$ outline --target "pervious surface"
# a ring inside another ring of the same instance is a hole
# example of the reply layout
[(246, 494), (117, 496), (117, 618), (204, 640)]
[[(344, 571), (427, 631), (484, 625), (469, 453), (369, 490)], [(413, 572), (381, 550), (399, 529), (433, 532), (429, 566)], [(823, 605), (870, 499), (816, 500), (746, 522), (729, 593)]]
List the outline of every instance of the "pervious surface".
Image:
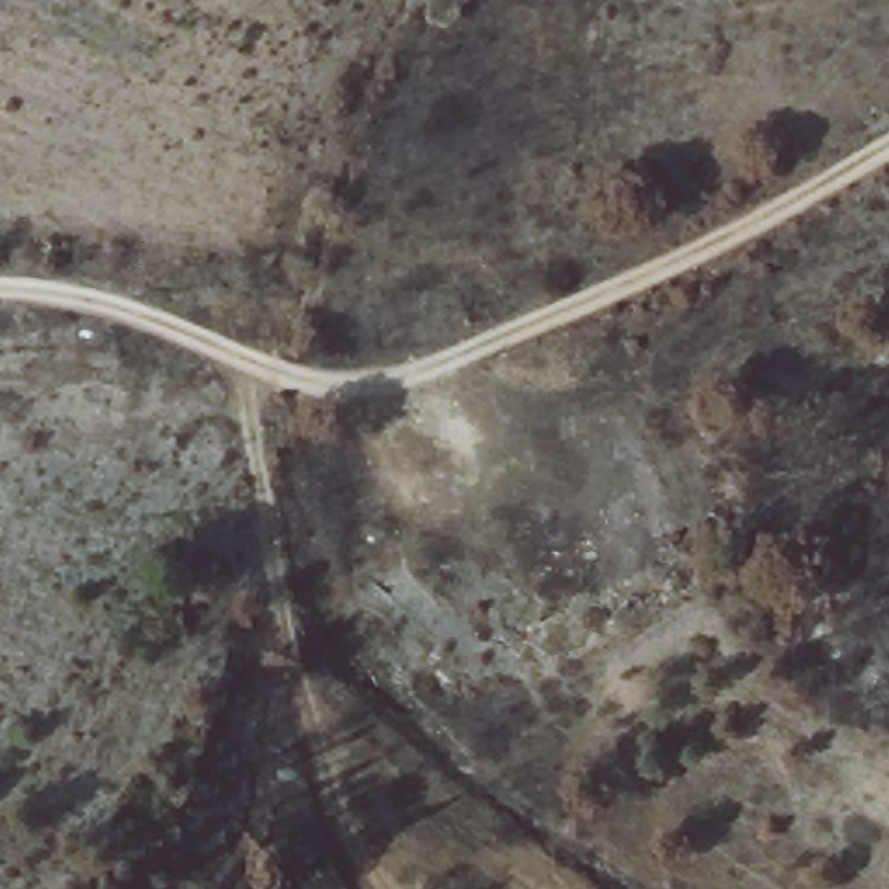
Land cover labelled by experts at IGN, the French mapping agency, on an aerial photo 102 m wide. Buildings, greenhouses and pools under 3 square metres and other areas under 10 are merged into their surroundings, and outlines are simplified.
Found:
[(0, 302), (17, 299), (76, 313), (97, 313), (135, 330), (156, 333), (163, 340), (174, 340), (188, 351), (198, 351), (233, 372), (257, 375), (274, 389), (295, 389), (306, 396), (326, 396), (330, 389), (372, 379), (392, 379), (403, 389), (410, 389), (420, 382), (455, 375), (458, 368), (493, 351), (514, 347), (552, 326), (590, 316), (618, 299), (639, 295), (649, 285), (660, 285), (674, 274), (684, 274), (740, 243), (764, 236), (785, 219), (813, 208), (816, 201), (847, 188), (851, 181), (868, 177), (889, 163), (889, 142), (872, 139), (851, 156), (799, 181), (785, 194), (754, 205), (733, 222), (715, 226), (670, 254), (660, 254), (608, 281), (587, 285), (573, 295), (563, 295), (549, 306), (486, 326), (469, 340), (458, 340), (424, 358), (410, 358), (403, 365), (361, 365), (333, 372), (292, 365), (278, 354), (264, 354), (257, 347), (247, 347), (240, 340), (229, 340), (215, 330), (205, 330), (191, 319), (181, 319), (167, 309), (135, 302), (118, 292), (87, 288), (59, 278), (0, 274)]

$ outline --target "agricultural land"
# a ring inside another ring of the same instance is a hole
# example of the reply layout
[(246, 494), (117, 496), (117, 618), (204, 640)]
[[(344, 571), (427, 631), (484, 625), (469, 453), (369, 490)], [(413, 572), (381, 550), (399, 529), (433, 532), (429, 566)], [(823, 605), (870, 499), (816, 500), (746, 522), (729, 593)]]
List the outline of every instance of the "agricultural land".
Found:
[(333, 42), (306, 38), (306, 28), (292, 14), (295, 7), (302, 7), (302, 0), (0, 0), (0, 233), (14, 219), (28, 219), (35, 229), (49, 233), (80, 233), (83, 226), (97, 226), (115, 229), (118, 236), (139, 236), (146, 243), (181, 243), (205, 250), (229, 250), (254, 240), (264, 222), (267, 188), (285, 181), (285, 163), (278, 160), (278, 149), (260, 149), (264, 128), (250, 125), (250, 118), (260, 111), (278, 111), (281, 104), (288, 104), (299, 115), (302, 104), (288, 94), (288, 83), (302, 83), (309, 94), (333, 90), (347, 63), (354, 63), (358, 56), (354, 35), (340, 35)]

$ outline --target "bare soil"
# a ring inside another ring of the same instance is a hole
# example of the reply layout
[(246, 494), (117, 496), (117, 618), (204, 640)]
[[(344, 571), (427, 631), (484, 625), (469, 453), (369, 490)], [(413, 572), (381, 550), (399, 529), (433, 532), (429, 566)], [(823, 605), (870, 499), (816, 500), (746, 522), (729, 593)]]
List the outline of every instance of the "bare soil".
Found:
[[(684, 413), (688, 385), (736, 385), (736, 413), (750, 413), (750, 406), (761, 399), (767, 406), (767, 441), (740, 441), (729, 431), (722, 434), (708, 427), (691, 431)], [(712, 594), (701, 587), (701, 573), (691, 573), (688, 587), (674, 583), (677, 566), (691, 566), (691, 535), (701, 535), (712, 514), (726, 517), (729, 535), (754, 531), (764, 524), (788, 524), (799, 514), (809, 514), (820, 524), (820, 535), (826, 535), (823, 559), (830, 559), (840, 570), (837, 594), (802, 597), (799, 615), (774, 618), (774, 639), (767, 642), (733, 635), (729, 625), (715, 615), (708, 601)], [(167, 653), (156, 663), (125, 656), (108, 629), (104, 608), (94, 604), (101, 594), (115, 601), (128, 594), (128, 587), (122, 587), (115, 573), (122, 570), (122, 556), (139, 542), (139, 535), (160, 538), (167, 583), (174, 590), (191, 587), (191, 601), (205, 604), (208, 611), (201, 615), (198, 632), (177, 653)], [(715, 695), (715, 708), (729, 705), (729, 729), (736, 736), (719, 754), (688, 764), (684, 774), (670, 778), (667, 788), (653, 795), (618, 795), (618, 806), (601, 816), (601, 809), (580, 795), (580, 781), (594, 767), (594, 757), (611, 750), (615, 740), (629, 733), (629, 712), (656, 705), (660, 663), (670, 656), (684, 656), (695, 635), (712, 635), (722, 656), (754, 653), (761, 660), (757, 670), (750, 670), (747, 677), (733, 681)], [(764, 236), (740, 243), (684, 274), (674, 274), (660, 285), (649, 285), (639, 295), (618, 299), (590, 316), (552, 326), (514, 347), (493, 351), (458, 368), (455, 375), (420, 382), (410, 389), (403, 389), (392, 379), (372, 379), (330, 389), (326, 396), (306, 396), (295, 389), (274, 389), (257, 375), (233, 372), (198, 351), (188, 351), (174, 340), (163, 340), (156, 333), (135, 330), (97, 313), (76, 313), (17, 299), (0, 302), (0, 889), (889, 889), (889, 163), (868, 177), (851, 181), (847, 188), (816, 201), (813, 208), (785, 219)]]
[[(146, 243), (139, 236), (118, 236), (115, 229), (97, 226), (83, 226), (80, 233), (49, 233), (35, 229), (28, 219), (14, 219), (0, 233), (0, 274), (59, 278), (87, 288), (118, 292), (135, 302), (167, 309), (181, 319), (191, 319), (205, 330), (215, 330), (229, 340), (240, 340), (247, 347), (257, 347), (264, 354), (278, 354), (292, 365), (333, 372), (361, 365), (403, 365), (410, 358), (424, 358), (458, 340), (469, 340), (486, 326), (549, 306), (563, 295), (573, 295), (587, 285), (608, 281), (660, 254), (670, 254), (715, 226), (733, 222), (754, 205), (785, 194), (799, 181), (851, 156), (872, 139), (889, 142), (889, 0), (455, 0), (458, 17), (451, 21), (451, 28), (431, 28), (424, 21), (424, 0), (302, 0), (302, 7), (295, 7), (292, 14), (306, 28), (306, 38), (333, 42), (340, 35), (354, 35), (358, 56), (354, 63), (347, 63), (333, 90), (309, 94), (302, 83), (288, 83), (288, 94), (302, 104), (299, 115), (288, 104), (281, 104), (278, 111), (260, 111), (250, 118), (250, 125), (264, 128), (260, 149), (278, 149), (278, 160), (285, 163), (285, 181), (267, 188), (264, 222), (254, 240), (229, 250), (205, 250), (181, 243)], [(774, 153), (774, 170), (767, 177), (743, 181), (726, 163), (719, 167), (708, 142), (722, 132), (722, 118), (733, 118), (743, 132), (750, 132), (754, 125), (764, 128), (764, 146), (767, 153)], [(653, 174), (670, 181), (677, 188), (681, 212), (663, 219), (656, 233), (642, 240), (604, 236), (594, 222), (594, 181), (608, 174)]]

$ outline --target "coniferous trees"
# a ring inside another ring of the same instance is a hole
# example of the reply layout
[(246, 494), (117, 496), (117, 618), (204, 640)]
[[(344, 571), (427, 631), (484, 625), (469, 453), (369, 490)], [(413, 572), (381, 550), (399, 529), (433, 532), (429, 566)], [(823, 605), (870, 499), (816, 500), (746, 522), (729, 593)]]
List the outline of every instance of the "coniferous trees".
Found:
[(754, 125), (750, 132), (743, 132), (733, 118), (722, 118), (722, 132), (708, 142), (719, 167), (726, 163), (743, 181), (767, 177), (774, 170), (774, 153), (767, 153), (764, 146), (764, 128)]
[(122, 556), (122, 570), (115, 573), (122, 587), (128, 587), (128, 594), (115, 601), (101, 594), (94, 604), (104, 608), (108, 629), (125, 656), (156, 663), (167, 653), (177, 653), (198, 632), (201, 615), (208, 611), (205, 604), (191, 601), (191, 587), (174, 590), (167, 583), (160, 538), (139, 535), (139, 542)]
[(681, 212), (677, 188), (670, 181), (653, 174), (608, 174), (594, 181), (594, 222), (604, 236), (642, 240), (656, 233), (663, 219)]
[(767, 406), (761, 399), (750, 406), (750, 413), (736, 413), (736, 385), (688, 385), (684, 413), (691, 431), (708, 427), (722, 434), (729, 431), (740, 441), (767, 441)]
[(580, 781), (580, 795), (601, 809), (601, 816), (618, 806), (618, 795), (653, 795), (667, 788), (670, 778), (684, 774), (688, 764), (719, 754), (736, 736), (729, 729), (729, 705), (715, 708), (715, 695), (733, 681), (747, 677), (750, 670), (757, 670), (761, 660), (754, 653), (722, 656), (712, 635), (695, 635), (684, 656), (670, 656), (660, 663), (656, 705), (629, 712), (629, 733), (615, 740), (611, 750), (594, 757), (594, 767)]
[(431, 28), (451, 28), (451, 21), (458, 17), (455, 0), (424, 0), (424, 21)]
[(823, 559), (826, 535), (820, 535), (820, 524), (809, 514), (799, 514), (788, 524), (764, 524), (754, 531), (729, 535), (726, 517), (712, 514), (701, 535), (691, 535), (691, 566), (677, 566), (674, 583), (688, 587), (691, 573), (701, 573), (701, 587), (712, 594), (708, 601), (715, 615), (729, 625), (733, 635), (767, 642), (774, 639), (774, 618), (799, 615), (802, 597), (837, 594), (840, 570), (830, 559)]

